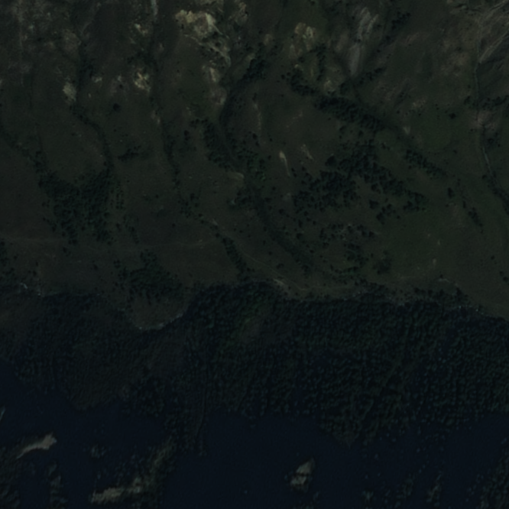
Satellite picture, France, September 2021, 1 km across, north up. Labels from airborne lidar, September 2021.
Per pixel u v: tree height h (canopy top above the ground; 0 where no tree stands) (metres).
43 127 0
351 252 10
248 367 7
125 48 0
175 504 7
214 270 0
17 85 0
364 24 0
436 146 0
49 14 0
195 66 0
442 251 0
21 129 0
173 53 0
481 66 0
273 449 10
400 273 0
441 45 0
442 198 0
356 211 0
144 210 0
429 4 0
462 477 9
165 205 0
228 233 0
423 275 0
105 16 0
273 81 0
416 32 0
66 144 0
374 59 0
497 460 8
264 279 0
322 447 6
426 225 0
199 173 0
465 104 6
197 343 9
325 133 0
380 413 14
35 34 0
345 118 10
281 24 0
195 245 0
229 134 7
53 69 0
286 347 10
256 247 0
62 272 0
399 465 10
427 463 7
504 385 10
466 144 0
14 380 9
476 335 12
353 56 0
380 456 10
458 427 7
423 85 0
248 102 0
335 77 0
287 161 0
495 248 0
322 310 11
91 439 9
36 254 0
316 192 9
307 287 10
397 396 15
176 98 0
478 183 0
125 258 0
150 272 13
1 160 0
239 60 0
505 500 9
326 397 9
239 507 9
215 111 0
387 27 0
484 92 0
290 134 0
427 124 0
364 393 9
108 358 7
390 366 7
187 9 0
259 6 0
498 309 0
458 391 11
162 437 7
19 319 0
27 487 0
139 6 0
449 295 7
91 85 0
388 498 7
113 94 0
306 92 8
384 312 11
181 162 0
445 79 0
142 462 7
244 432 12
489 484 8
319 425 14
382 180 15
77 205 9
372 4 0
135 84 0
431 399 13
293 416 11
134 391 13
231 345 10
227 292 12
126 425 10
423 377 7
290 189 0
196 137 0
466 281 0
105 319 0
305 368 15
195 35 0
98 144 0
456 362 11
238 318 13
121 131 0
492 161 0
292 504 6
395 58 0
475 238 0
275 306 7
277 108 0
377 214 0
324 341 7
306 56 0
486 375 11
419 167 8
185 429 13
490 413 11
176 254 0
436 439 10
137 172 0
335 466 0
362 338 10
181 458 11
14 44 0
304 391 9
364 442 14
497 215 0
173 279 7
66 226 13
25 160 0
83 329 6
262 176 9
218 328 10
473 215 7
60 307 10
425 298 6
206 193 0
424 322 10
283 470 8
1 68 0
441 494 10
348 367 9
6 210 0
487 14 0
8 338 7
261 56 8
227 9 0
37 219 0
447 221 0
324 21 0
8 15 0
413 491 10
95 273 0
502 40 0
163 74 0
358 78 0
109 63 0
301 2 0
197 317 6
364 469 16
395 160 0
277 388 9
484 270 0
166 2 0
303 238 13
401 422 9
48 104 0
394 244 0
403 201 0
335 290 0
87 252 0
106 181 6
